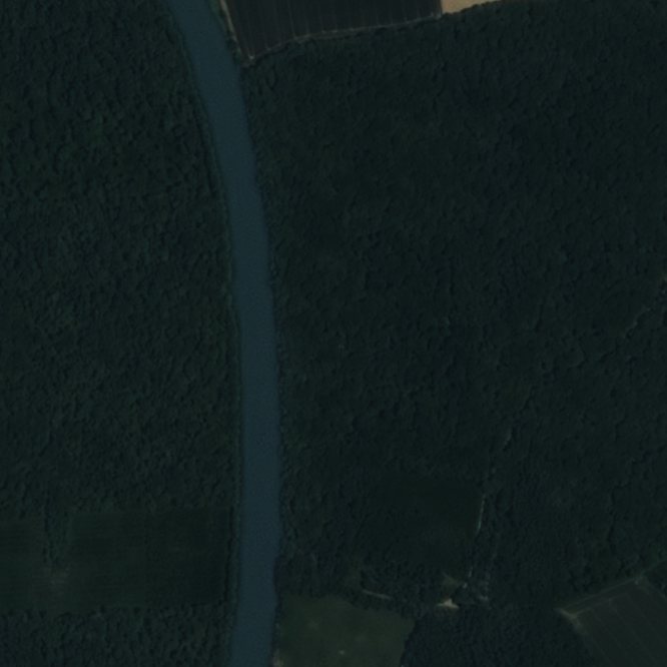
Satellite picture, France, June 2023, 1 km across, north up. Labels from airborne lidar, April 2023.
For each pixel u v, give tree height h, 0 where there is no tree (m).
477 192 25
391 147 23
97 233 12
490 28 27
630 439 27
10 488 20
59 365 21
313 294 24
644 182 32
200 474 18
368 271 24
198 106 20
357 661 0
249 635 0
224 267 19
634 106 26
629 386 18
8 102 32
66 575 0
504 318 25
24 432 24
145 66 23
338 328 25
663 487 29
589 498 31
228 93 0
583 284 30
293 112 21
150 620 9
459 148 27
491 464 8
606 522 30
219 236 15
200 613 19
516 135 31
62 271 15
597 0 22
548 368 20
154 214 17
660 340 27
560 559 21
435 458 25
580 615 0
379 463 26
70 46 23
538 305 25
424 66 25
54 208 24
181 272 23
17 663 33
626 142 27
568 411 21
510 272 20
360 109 28
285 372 21
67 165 20
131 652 9
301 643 0
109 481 11
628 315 26
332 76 25
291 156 24
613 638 0
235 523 14
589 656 16
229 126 0
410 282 27
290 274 29
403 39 21
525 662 23
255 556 0
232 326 19
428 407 29
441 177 23
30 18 27
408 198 26
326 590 19
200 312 17
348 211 15
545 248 25
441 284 22
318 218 20
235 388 16
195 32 0
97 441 15
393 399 24
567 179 20
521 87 27
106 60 25
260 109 19
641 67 26
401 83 26
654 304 24
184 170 23
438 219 24
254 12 0
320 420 22
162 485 23
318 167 25
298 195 27
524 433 26
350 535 24
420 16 0
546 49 22
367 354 22
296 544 23
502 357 25
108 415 22
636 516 29
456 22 19
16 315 23
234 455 17
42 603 0
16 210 19
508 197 24
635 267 27
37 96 25
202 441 22
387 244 26
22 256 20
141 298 16
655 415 23
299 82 24
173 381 20
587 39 29
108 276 18
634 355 26
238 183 0
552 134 31
